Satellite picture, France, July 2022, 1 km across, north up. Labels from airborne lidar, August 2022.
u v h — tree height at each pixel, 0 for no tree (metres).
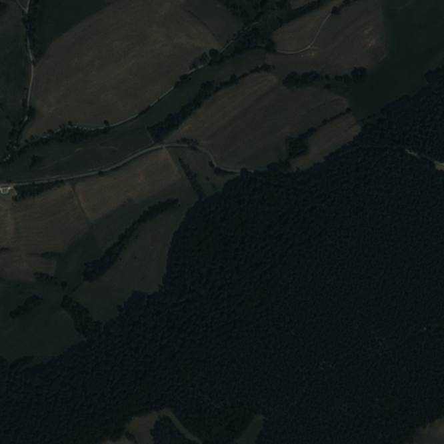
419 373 21
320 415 28
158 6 0
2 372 26
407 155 29
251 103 0
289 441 27
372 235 31
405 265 31
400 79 0
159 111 0
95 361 23
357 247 30
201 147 0
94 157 0
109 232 0
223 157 0
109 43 0
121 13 0
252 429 0
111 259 15
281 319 29
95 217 0
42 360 0
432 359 22
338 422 25
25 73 0
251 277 22
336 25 0
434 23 0
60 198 0
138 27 0
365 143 16
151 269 0
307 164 0
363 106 0
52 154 0
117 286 0
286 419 33
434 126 24
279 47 0
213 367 30
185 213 0
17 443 28
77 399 33
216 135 0
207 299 21
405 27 0
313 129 10
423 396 25
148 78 0
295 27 0
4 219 0
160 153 0
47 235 0
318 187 26
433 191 30
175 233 0
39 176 0
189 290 31
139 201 0
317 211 26
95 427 27
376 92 0
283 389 29
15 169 0
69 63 0
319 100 0
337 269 33
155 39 0
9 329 0
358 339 32
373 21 0
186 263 30
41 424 32
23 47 0
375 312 29
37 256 0
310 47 0
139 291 0
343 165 26
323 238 29
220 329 34
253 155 0
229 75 0
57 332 0
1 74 0
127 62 0
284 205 26
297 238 26
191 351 28
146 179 0
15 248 0
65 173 0
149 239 0
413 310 28
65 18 0
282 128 0
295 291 31
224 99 0
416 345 25
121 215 0
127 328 27
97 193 0
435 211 31
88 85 0
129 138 0
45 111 0
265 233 29
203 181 0
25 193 17
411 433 25
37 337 0
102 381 29
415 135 8
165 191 0
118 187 0
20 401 34
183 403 25
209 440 15
